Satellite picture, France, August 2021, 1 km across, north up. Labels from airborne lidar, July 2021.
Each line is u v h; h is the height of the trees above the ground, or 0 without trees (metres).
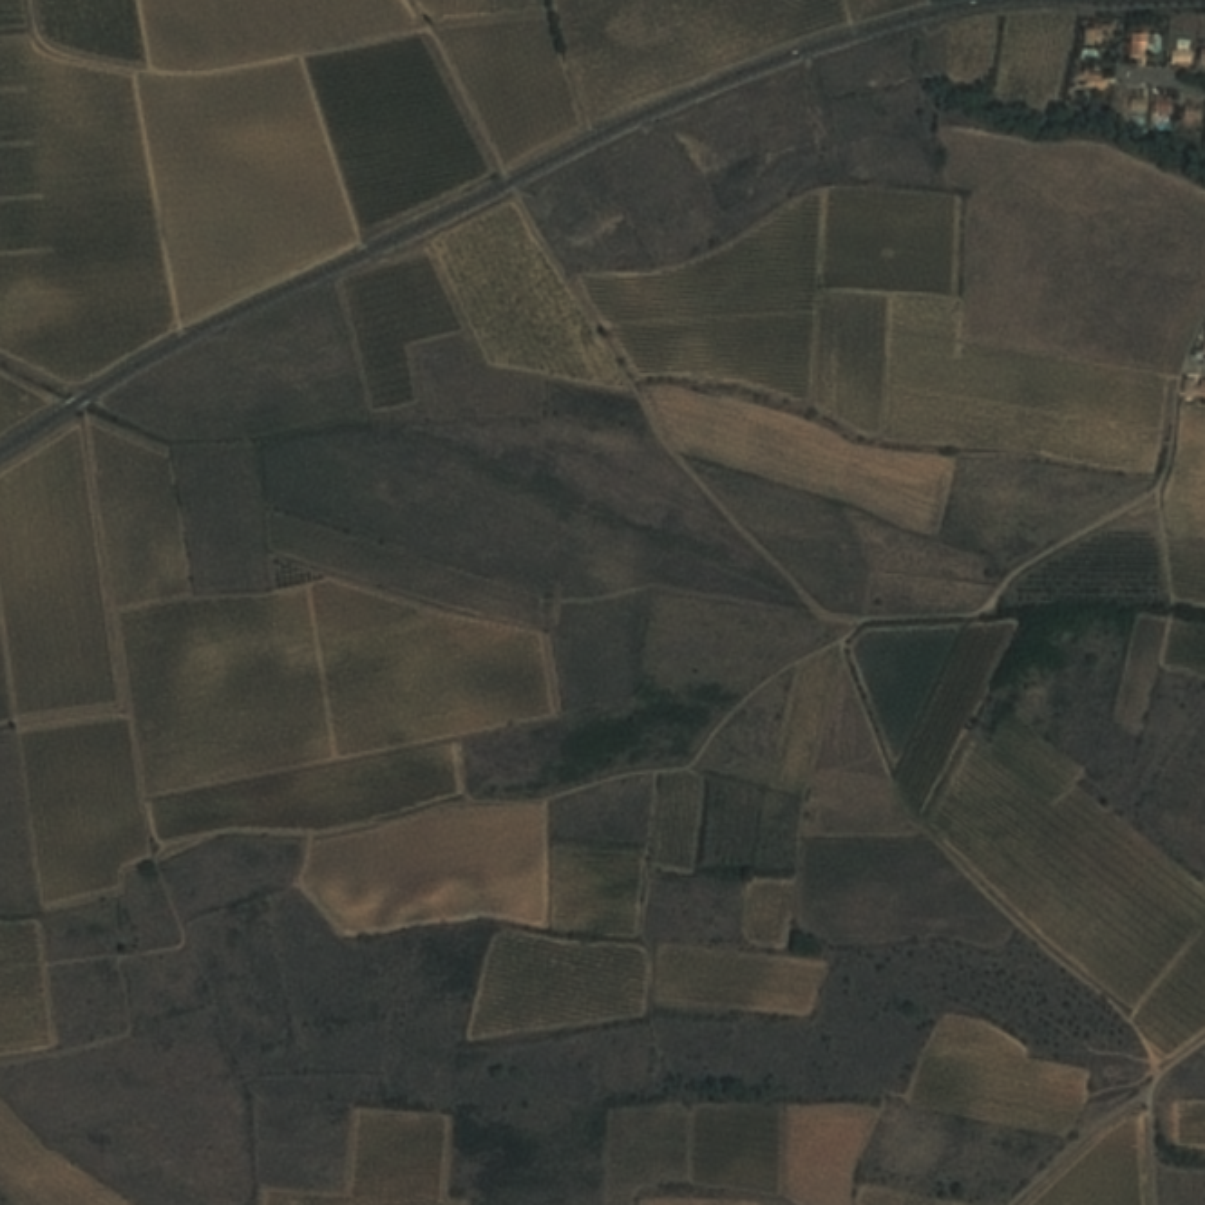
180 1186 0
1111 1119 0
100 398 0
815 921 0
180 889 0
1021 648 6
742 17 0
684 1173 0
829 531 0
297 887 0
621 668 0
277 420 0
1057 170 0
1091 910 0
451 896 0
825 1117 0
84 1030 0
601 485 0
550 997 0
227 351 0
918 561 0
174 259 0
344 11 0
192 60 0
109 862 0
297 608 0
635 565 0
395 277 0
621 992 0
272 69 0
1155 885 0
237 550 0
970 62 0
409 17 0
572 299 0
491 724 0
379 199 0
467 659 0
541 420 0
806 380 0
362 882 0
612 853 0
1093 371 0
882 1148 0
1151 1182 0
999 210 0
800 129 0
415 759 0
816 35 0
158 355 0
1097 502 0
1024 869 0
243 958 0
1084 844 0
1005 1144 0
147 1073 0
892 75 0
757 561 0
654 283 0
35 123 0
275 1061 0
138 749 0
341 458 0
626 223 0
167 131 0
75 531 0
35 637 0
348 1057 0
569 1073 0
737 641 0
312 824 0
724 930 0
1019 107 12
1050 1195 0
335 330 0
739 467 0
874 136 0
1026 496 0
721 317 0
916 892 0
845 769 0
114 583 0
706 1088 9
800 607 0
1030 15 0
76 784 0
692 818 0
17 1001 0
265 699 0
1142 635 0
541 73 0
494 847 0
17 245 0
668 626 0
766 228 0
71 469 0
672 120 0
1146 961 0
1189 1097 0
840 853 0
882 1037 0
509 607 0
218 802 0
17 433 0
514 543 0
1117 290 0
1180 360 0
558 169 0
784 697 0
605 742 0
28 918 0
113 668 0
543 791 0
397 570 0
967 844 0
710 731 0
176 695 0
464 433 0
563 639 0
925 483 0
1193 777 0
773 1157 0
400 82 0
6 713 0
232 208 0
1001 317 0
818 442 0
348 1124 0
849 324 0
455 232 0
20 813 0
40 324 0
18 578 0
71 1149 0
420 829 0
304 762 0
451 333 0
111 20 0
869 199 0
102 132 0
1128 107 0
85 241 0
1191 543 0
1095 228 0
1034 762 0
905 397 0
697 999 0
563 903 0
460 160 0
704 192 0
